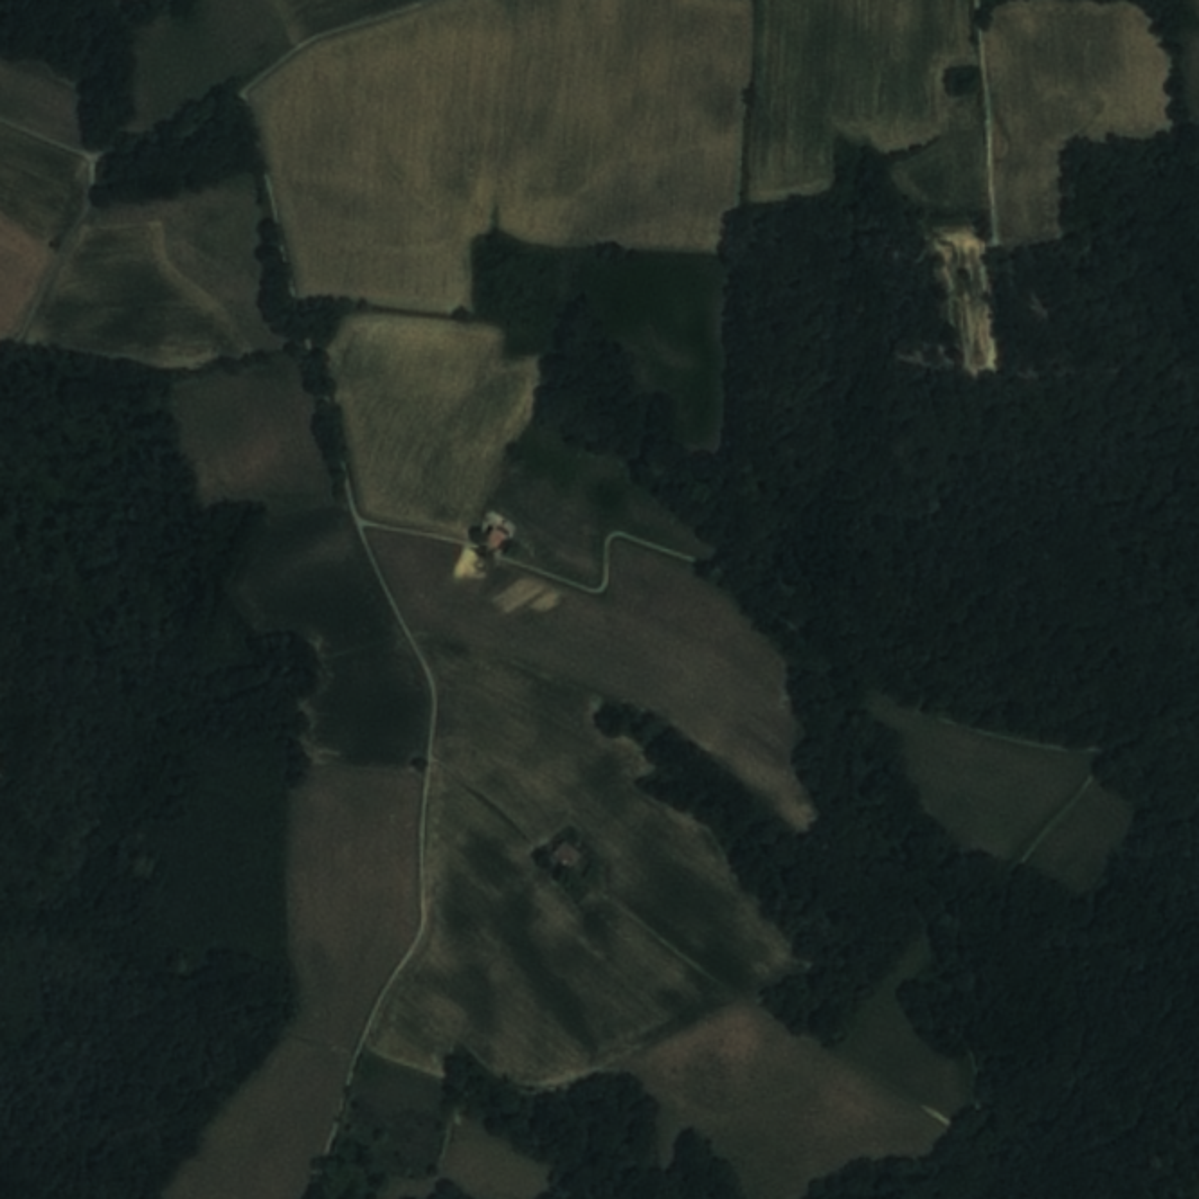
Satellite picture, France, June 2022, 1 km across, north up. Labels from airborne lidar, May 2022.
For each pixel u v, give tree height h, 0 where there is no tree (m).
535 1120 23
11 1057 12
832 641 24
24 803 14
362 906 0
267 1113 0
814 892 28
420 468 0
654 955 0
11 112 0
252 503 11
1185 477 14
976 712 9
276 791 0
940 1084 0
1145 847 27
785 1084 0
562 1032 0
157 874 8
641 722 17
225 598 6
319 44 0
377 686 0
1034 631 15
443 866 0
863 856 16
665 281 0
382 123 0
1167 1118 17
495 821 0
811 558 31
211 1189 0
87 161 0
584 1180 23
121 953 7
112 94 20
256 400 0
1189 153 24
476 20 0
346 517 0
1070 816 0
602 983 0
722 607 0
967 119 0
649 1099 11
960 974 22
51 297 0
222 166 22
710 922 0
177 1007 16
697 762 22
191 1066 14
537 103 0
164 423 25
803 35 0
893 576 13
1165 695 15
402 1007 0
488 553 16
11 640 17
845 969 17
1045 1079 24
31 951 0
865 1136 0
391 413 0
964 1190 30
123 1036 13
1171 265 23
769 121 0
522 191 0
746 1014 0
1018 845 0
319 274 0
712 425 0
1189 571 16
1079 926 10
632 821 0
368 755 0
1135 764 20
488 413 0
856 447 16
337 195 0
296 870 0
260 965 13
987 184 0
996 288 15
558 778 0
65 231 0
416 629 0
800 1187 0
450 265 0
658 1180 11
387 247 0
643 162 0
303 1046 0
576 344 26
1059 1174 19
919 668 14
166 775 13
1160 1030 24
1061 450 14
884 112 0
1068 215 12
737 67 0
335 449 16
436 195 0
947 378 11
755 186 0
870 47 0
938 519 13
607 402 22
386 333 0
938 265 9
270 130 0
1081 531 20
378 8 0
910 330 21
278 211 0
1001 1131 23
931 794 0
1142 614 25
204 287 0
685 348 0
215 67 0
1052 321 15
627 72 0
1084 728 13
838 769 26
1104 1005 24
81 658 16
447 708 0
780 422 6
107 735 18
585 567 0
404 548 0
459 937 0
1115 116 0
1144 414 6
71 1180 16
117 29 26
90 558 11
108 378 19
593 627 0
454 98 0
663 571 0
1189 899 16
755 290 13
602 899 0
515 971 0
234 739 18
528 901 0
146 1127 21
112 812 21
